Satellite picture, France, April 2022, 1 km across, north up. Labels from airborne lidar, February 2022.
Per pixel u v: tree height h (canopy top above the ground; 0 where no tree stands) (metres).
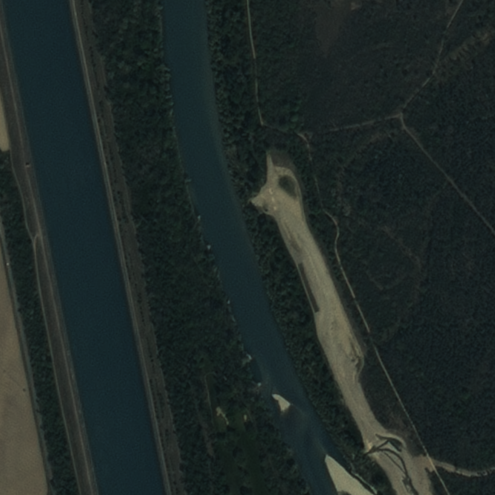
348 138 16
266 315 0
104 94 0
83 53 0
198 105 0
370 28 6
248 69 21
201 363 21
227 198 0
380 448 0
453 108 16
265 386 0
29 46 0
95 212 0
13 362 0
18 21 0
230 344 27
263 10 19
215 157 0
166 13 0
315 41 8
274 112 16
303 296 12
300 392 0
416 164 17
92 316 0
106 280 0
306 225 0
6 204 10
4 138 0
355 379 0
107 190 0
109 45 11
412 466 0
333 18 0
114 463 0
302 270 0
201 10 0
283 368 0
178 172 20
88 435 0
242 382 17
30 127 0
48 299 0
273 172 0
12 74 0
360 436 0
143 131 15
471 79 17
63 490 12
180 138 0
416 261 10
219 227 0
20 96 0
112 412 0
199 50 0
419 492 0
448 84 17
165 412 0
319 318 0
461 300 14
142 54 26
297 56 11
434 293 12
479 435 17
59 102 0
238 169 0
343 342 0
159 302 17
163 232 15
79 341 0
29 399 0
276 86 14
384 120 13
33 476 0
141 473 0
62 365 0
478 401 18
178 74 0
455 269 11
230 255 0
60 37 0
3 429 0
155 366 0
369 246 6
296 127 15
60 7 0
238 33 17
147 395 0
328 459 0
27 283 6
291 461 0
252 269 0
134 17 17
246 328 0
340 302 0
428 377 17
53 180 0
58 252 0
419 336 17
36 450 0
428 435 14
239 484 0
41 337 18
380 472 0
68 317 0
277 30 13
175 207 21
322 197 14
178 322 9
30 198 0
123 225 0
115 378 0
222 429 0
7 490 0
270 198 0
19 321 0
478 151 18
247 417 0
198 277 17
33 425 0
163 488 0
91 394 0
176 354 15
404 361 18
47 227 0
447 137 13
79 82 0
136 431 0
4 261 0
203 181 0
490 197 13
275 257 0
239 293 0
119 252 0
